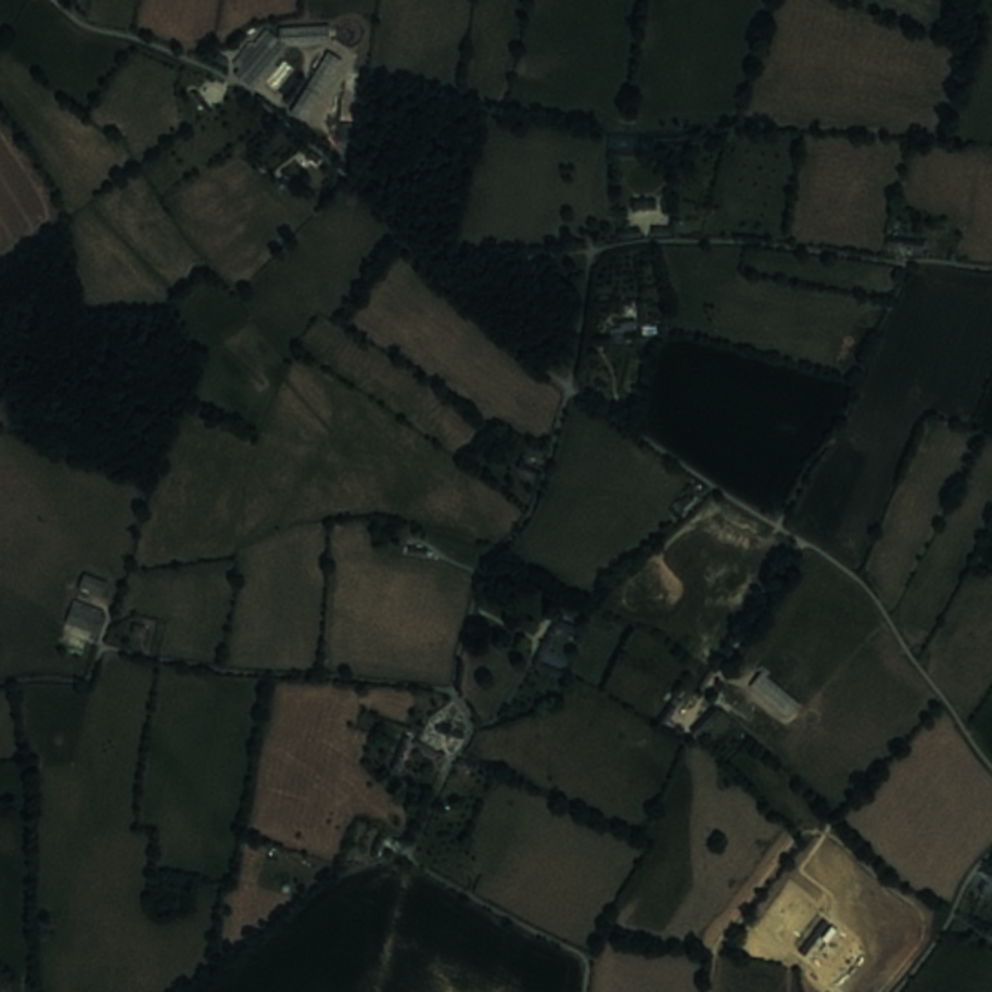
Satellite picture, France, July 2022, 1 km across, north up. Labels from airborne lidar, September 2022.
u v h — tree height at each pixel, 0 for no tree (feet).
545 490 31
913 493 0
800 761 0
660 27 0
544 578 58
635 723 0
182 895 26
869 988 0
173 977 0
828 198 0
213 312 0
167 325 66
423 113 72
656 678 0
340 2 0
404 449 0
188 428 0
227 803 0
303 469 0
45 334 69
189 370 76
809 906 0
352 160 62
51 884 0
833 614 0
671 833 0
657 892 0
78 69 0
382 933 0
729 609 0
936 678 0
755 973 0
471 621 46
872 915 0
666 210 24
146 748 31
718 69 0
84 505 0
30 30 0
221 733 0
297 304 0
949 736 0
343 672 42
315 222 0
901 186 31
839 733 0
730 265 0
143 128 0
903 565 0
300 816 0
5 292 71
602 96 0
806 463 24
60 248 70
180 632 0
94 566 0
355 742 0
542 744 0
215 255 0
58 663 0
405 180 59
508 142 0
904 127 0
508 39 0
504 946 0
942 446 0
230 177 0
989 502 0
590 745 0
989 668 0
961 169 0
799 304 0
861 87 0
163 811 0
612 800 0
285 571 0
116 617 35
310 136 38
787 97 0
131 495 0
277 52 0
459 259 55
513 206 0
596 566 0
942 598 0
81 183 0
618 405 47
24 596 0
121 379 74
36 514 0
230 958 51
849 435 0
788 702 0
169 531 0
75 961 0
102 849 0
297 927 0
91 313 52
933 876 0
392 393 0
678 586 0
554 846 0
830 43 0
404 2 0
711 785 0
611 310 22
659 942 46
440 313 0
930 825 0
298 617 0
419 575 0
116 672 0
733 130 69
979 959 0
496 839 0
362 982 0
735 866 0
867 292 39
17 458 0
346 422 0
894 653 0
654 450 25
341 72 0
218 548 0
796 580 70
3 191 0
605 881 0
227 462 0
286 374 0
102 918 0
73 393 78
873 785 61
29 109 0
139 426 71
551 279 67
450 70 0
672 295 52
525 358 51
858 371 37
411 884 0
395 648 0
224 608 0
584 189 0
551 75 0
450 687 0
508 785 33
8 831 0
